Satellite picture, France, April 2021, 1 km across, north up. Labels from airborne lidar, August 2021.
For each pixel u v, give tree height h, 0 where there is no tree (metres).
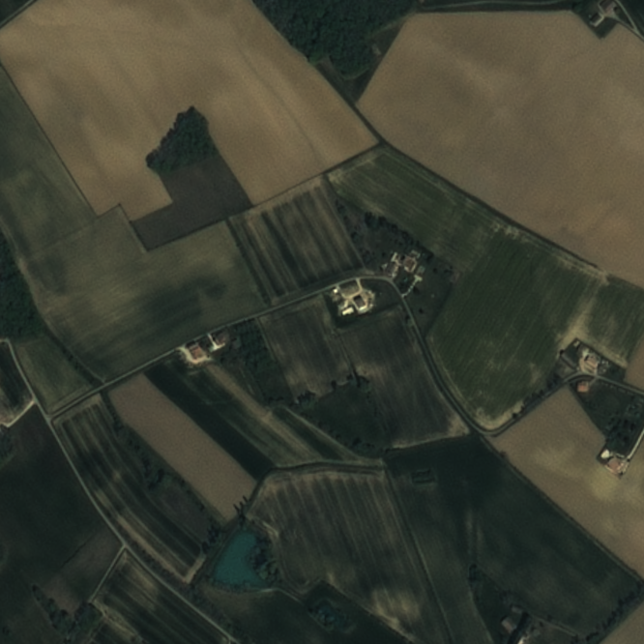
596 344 0
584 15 0
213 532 6
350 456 0
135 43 0
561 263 0
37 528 0
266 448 0
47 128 0
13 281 20
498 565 0
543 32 0
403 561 0
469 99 0
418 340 0
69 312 0
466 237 0
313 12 25
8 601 0
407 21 0
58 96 0
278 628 0
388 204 0
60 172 0
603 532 0
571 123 0
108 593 0
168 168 20
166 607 0
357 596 0
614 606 0
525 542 0
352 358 0
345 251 0
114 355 0
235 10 0
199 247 0
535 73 0
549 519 0
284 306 0
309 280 0
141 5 0
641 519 0
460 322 0
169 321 0
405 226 0
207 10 0
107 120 0
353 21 21
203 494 0
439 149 0
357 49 20
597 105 0
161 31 0
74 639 15
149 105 0
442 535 0
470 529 0
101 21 0
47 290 0
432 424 0
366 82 0
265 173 0
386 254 6
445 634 0
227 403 0
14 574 0
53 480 0
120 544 0
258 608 0
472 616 0
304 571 0
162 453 0
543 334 0
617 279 0
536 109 0
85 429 0
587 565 0
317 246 0
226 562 0
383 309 0
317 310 0
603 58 0
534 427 0
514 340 0
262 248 0
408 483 0
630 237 0
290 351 0
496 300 0
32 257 0
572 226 0
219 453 0
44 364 0
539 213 0
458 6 0
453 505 0
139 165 0
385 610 0
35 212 0
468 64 0
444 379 0
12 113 0
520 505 0
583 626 0
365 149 0
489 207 0
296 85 0
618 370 6
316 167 0
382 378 0
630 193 0
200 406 0
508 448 0
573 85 0
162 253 0
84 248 0
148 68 0
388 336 0
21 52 0
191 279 0
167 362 0
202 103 0
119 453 0
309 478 0
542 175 0
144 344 0
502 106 0
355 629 0
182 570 0
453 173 0
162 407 0
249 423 0
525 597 0
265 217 0
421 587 0
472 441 0
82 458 0
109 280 0
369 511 0
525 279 0
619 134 0
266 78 0
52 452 0
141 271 0
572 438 0
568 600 0
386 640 0
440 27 0
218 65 0
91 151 0
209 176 0
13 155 0
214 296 0
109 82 0
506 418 0
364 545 0
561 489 0
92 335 0
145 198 0
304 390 0
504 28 0
